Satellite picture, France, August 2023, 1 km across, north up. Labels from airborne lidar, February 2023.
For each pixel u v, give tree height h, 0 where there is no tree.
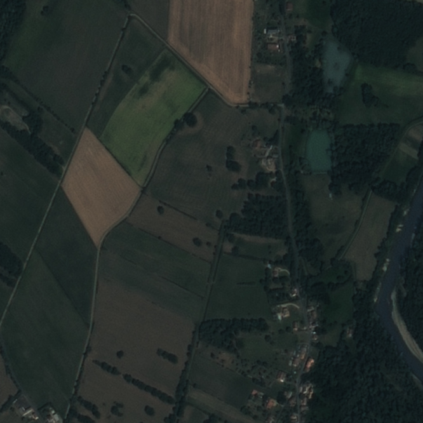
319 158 0
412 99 0
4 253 17
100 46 0
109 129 0
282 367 0
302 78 7
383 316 0
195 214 0
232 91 0
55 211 0
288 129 0
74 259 0
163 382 0
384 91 0
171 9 0
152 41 0
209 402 0
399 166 0
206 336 13
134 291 0
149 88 0
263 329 13
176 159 0
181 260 0
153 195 0
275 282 16
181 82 0
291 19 9
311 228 22
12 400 15
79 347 0
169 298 0
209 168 15
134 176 0
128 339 0
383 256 19
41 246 0
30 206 0
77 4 0
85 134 0
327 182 0
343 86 0
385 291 0
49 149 14
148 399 0
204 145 0
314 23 0
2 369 0
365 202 10
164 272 0
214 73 0
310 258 28
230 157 17
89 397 0
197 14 0
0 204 0
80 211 0
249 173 0
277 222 16
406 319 18
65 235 0
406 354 0
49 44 0
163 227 0
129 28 0
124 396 0
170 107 0
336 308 0
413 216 0
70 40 0
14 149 0
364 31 28
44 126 0
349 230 0
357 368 24
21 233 0
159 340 0
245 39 0
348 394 22
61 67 0
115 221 0
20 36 0
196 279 0
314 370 7
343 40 25
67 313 0
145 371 0
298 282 6
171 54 0
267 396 6
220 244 0
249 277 0
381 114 0
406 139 0
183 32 0
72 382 0
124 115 0
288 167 8
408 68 17
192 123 24
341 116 0
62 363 0
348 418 19
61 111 0
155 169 0
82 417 12
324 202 0
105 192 0
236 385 0
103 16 0
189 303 0
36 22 0
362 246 0
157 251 0
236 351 12
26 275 0
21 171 0
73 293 0
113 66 0
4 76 7
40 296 0
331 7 0
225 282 0
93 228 0
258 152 0
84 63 0
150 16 0
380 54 24
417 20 21
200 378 0
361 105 0
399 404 18
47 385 0
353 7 25
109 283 0
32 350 0
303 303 0
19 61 0
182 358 0
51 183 0
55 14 0
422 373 0
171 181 0
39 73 0
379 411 34
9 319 0
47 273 0
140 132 0
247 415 9
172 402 16
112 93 0
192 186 0
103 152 0
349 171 23
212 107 0
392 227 15
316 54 15
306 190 0
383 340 20
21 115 0
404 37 23
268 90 0
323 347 16
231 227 9
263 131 0
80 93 0
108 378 0
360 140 22
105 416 0
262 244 0
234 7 0
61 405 0
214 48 0
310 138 0
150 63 0
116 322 0
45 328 0
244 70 0
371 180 18
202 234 0
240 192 0
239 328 16
